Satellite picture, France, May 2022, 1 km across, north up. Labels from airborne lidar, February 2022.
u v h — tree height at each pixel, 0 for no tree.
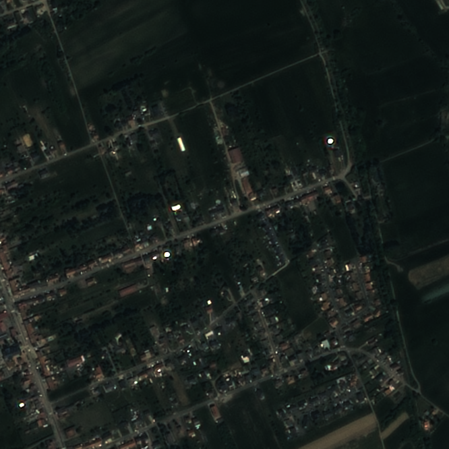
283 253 0
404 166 0
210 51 0
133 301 0
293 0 0
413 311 0
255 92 0
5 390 15
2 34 10
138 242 0
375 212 16
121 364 9
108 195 13
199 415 0
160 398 0
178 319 6
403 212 0
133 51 0
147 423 0
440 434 0
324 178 0
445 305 0
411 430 7
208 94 0
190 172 0
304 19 0
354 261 0
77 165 0
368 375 0
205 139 0
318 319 0
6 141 0
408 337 0
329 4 0
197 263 7
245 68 0
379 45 0
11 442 0
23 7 0
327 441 0
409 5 0
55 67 0
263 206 0
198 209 8
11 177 0
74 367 0
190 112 0
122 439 0
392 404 0
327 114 0
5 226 0
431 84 0
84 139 0
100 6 9
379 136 0
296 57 0
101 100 0
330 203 10
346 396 0
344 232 0
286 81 0
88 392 0
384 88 0
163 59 0
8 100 0
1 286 0
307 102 0
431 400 0
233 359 0
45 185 0
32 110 0
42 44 0
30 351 0
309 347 0
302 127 0
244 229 0
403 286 0
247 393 0
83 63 0
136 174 0
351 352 0
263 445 0
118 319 11
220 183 0
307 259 0
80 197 0
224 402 0
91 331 15
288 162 0
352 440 0
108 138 0
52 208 0
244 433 0
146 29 0
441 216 0
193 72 0
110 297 0
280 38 0
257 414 0
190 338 0
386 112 0
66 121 0
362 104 0
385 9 0
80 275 0
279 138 0
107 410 0
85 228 15
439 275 0
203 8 0
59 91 6
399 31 0
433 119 0
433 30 0
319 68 0
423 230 0
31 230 12
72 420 0
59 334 7
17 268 0
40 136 10
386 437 0
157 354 10
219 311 0
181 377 0
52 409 0
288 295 0
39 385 0
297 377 8
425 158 0
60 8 7
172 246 9
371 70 0
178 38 0
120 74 0
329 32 0
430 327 0
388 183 0
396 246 19
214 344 0
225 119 0
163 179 11
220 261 0
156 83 0
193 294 0
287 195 0
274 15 0
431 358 0
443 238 0
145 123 0
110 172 0
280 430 0
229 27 0
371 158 0
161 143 0
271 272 0
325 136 0
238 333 0
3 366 0
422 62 0
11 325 0
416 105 0
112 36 0
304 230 17
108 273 0
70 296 0
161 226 0
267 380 0
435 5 0
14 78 0
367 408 0
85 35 0
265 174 0
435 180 0
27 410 0
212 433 0
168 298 0
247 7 0
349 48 0
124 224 0
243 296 0
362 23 0
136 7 0
